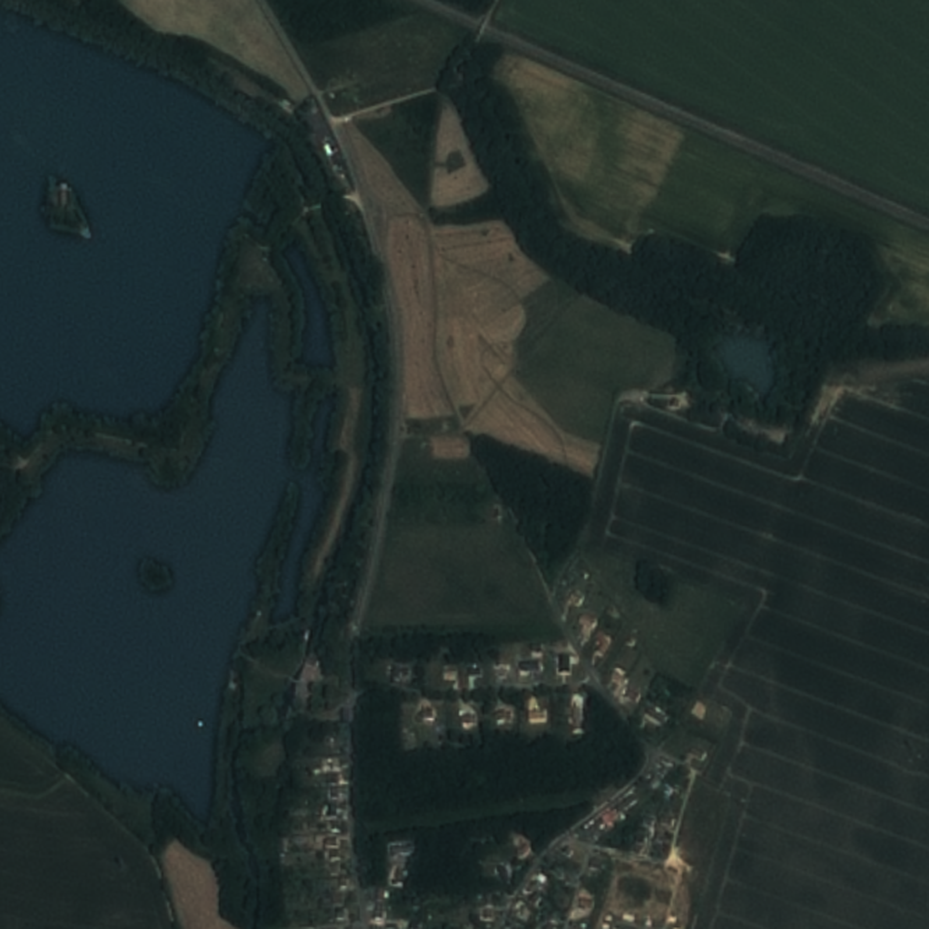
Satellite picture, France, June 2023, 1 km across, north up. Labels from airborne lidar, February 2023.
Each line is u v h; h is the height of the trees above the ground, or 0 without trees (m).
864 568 0
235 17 0
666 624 0
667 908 0
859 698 0
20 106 0
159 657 0
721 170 0
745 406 16
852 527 0
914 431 0
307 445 11
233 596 0
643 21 0
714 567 0
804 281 16
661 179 0
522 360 0
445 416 0
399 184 0
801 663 0
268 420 0
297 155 24
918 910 0
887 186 0
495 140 19
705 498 0
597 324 0
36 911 0
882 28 0
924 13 0
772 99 0
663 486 0
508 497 17
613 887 0
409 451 0
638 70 0
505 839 15
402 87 0
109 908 0
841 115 0
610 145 0
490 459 19
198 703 0
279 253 9
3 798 0
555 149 0
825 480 0
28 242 0
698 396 9
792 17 0
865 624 0
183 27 0
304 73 0
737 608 0
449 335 0
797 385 17
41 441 15
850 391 0
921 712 0
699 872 0
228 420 0
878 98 0
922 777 0
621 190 0
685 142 0
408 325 0
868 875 0
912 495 0
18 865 0
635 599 0
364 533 6
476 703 16
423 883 15
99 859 0
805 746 0
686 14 0
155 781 0
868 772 0
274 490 0
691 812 0
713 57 0
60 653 0
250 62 0
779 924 0
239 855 0
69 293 0
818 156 0
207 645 0
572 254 22
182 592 0
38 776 0
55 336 0
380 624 0
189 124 0
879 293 16
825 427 0
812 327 16
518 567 0
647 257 19
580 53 0
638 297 20
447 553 0
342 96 0
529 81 0
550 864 6
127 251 0
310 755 8
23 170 0
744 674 0
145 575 10
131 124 0
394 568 0
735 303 23
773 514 0
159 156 0
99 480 0
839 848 0
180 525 0
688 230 0
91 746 0
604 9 0
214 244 0
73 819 0
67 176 0
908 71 0
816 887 0
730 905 0
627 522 0
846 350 19
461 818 0
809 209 0
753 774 0
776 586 0
